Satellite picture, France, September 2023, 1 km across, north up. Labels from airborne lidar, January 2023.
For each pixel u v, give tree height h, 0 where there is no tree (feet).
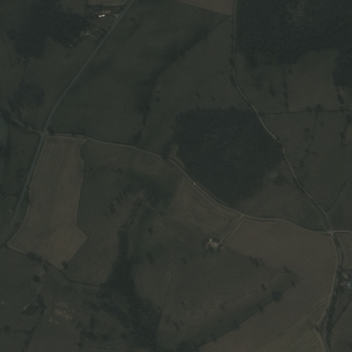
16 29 0
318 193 0
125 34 0
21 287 0
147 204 0
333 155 0
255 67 0
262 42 20
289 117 0
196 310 0
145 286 0
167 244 0
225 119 0
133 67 0
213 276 0
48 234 0
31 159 0
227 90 0
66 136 0
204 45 0
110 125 0
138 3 0
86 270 0
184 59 0
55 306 0
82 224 0
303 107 0
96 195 0
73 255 0
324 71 0
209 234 0
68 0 0
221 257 0
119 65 0
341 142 0
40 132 0
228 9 0
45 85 0
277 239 0
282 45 24
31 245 0
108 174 0
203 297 0
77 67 0
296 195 0
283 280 0
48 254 0
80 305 0
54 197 0
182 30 0
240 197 0
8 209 0
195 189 0
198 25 0
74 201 0
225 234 0
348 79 58
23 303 0
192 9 0
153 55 0
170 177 0
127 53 0
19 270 0
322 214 0
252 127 0
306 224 0
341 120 0
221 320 0
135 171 0
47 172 0
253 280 0
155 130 0
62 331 0
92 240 0
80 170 0
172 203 0
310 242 0
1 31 0
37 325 0
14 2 0
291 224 0
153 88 0
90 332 0
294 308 0
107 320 0
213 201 0
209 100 0
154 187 0
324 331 0
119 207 0
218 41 0
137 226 0
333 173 0
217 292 0
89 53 0
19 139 0
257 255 0
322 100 0
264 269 0
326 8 46
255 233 0
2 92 0
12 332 0
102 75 0
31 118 0
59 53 0
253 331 0
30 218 0
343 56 45
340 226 0
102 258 0
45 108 0
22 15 0
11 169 0
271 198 0
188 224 0
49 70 0
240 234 0
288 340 0
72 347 0
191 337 0
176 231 0
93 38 0
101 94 0
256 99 0
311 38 23
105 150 0
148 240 0
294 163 0
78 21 60
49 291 0
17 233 0
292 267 0
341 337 0
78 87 0
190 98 0
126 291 0
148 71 0
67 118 0
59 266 0
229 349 0
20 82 0
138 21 0
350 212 0
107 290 38
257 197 0
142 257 0
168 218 0
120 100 0
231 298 0
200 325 0
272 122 0
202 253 0
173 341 0
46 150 0
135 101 0
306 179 0
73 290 0
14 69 0
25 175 0
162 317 0
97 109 0
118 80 0
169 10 0
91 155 0
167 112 0
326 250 0
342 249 0
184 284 0
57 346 0
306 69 0
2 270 0
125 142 0
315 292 0
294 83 0
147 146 0
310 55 0
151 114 0
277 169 0
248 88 0
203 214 0
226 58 0
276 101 0
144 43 0
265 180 0
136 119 0
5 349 0
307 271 0
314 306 0
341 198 0
